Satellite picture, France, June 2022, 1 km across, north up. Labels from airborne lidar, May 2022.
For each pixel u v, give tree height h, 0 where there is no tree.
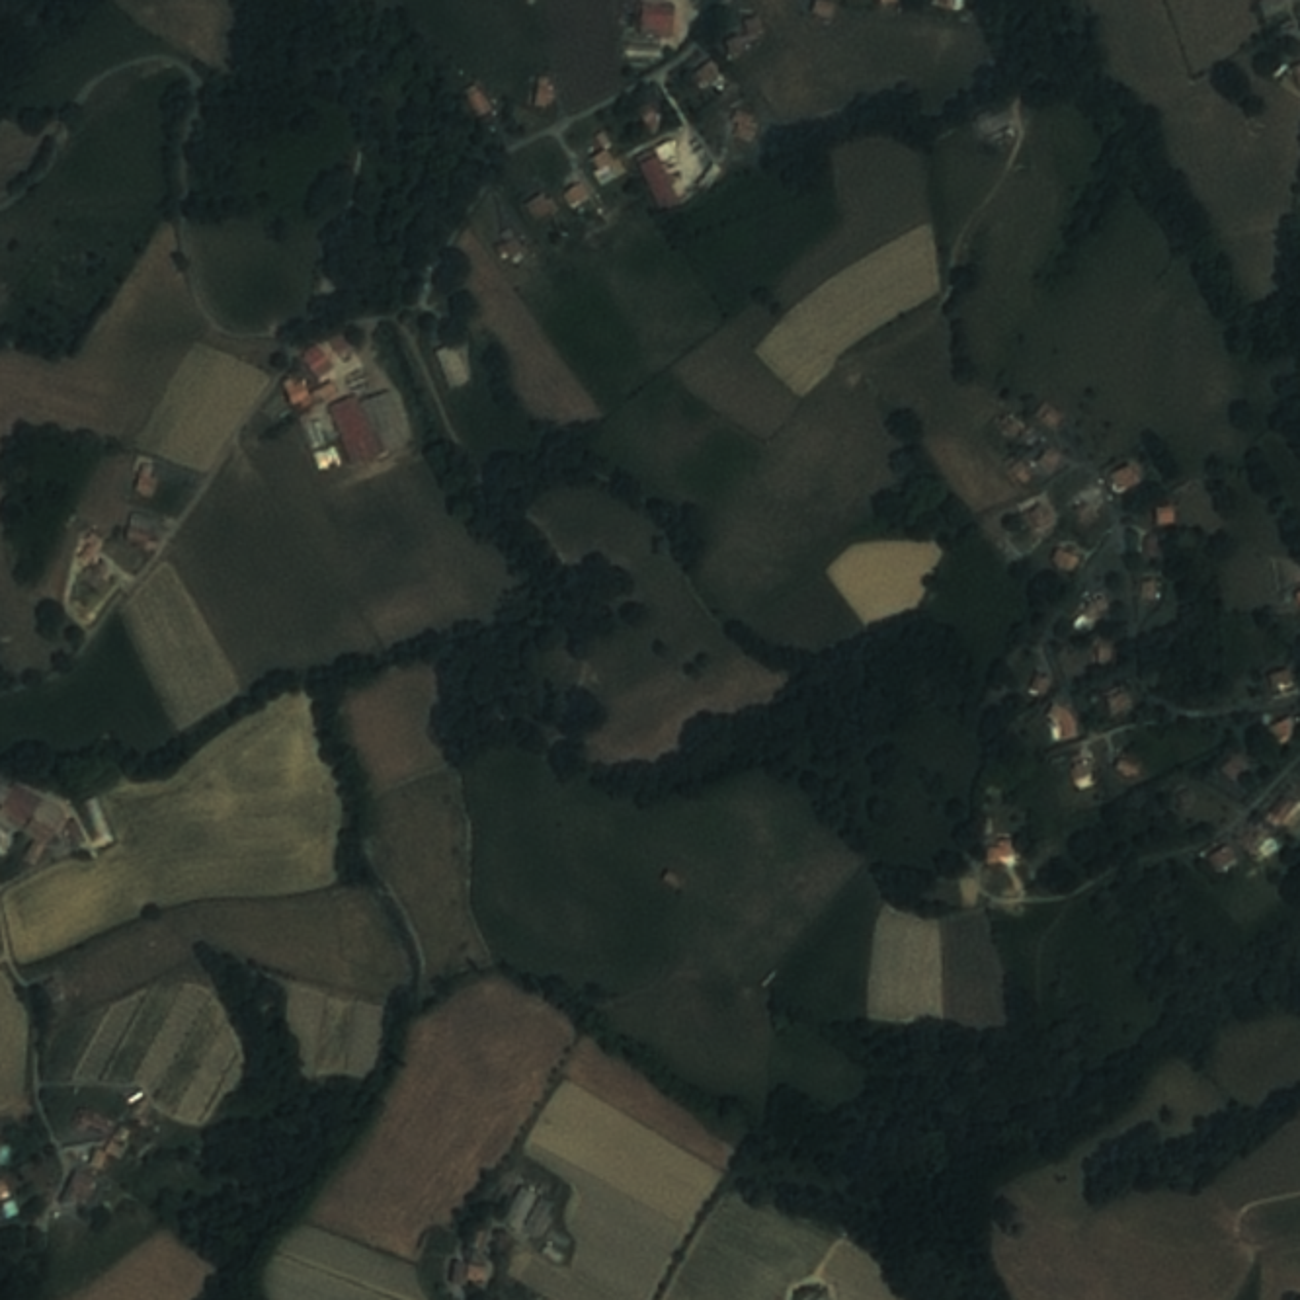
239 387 0
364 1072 0
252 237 0
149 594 0
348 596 0
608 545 0
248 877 0
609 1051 13
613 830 0
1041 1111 24
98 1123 0
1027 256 0
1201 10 0
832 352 0
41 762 17
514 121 13
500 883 0
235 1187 11
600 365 0
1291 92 0
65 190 0
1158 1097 0
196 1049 0
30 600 0
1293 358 12
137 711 0
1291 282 21
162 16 0
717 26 21
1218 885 10
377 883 21
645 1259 0
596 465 16
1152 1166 19
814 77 0
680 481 0
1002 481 0
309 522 0
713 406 0
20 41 17
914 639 25
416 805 0
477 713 29
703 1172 0
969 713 14
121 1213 0
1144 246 0
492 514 23
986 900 0
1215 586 9
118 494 0
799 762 11
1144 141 23
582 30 0
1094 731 12
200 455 0
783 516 0
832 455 0
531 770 0
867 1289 0
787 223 0
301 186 0
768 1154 18
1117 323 0
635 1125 0
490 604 0
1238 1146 9
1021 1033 15
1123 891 16
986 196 0
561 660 0
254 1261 23
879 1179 18
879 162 0
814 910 0
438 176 23
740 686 0
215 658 0
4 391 0
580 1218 0
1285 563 0
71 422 0
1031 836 7
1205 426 0
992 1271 13
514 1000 0
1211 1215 0
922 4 14
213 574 0
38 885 0
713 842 0
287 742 0
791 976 0
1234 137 0
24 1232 9
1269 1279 0
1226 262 19
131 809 0
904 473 10
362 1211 0
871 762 11
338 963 0
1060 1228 0
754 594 0
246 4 21
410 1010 23
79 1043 0
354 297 16
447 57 10
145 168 0
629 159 0
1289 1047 0
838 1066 0
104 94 0
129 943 0
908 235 0
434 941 0
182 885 0
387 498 0
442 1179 0
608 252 0
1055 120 0
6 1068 0
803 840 0
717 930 0
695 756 21
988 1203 17
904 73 0
